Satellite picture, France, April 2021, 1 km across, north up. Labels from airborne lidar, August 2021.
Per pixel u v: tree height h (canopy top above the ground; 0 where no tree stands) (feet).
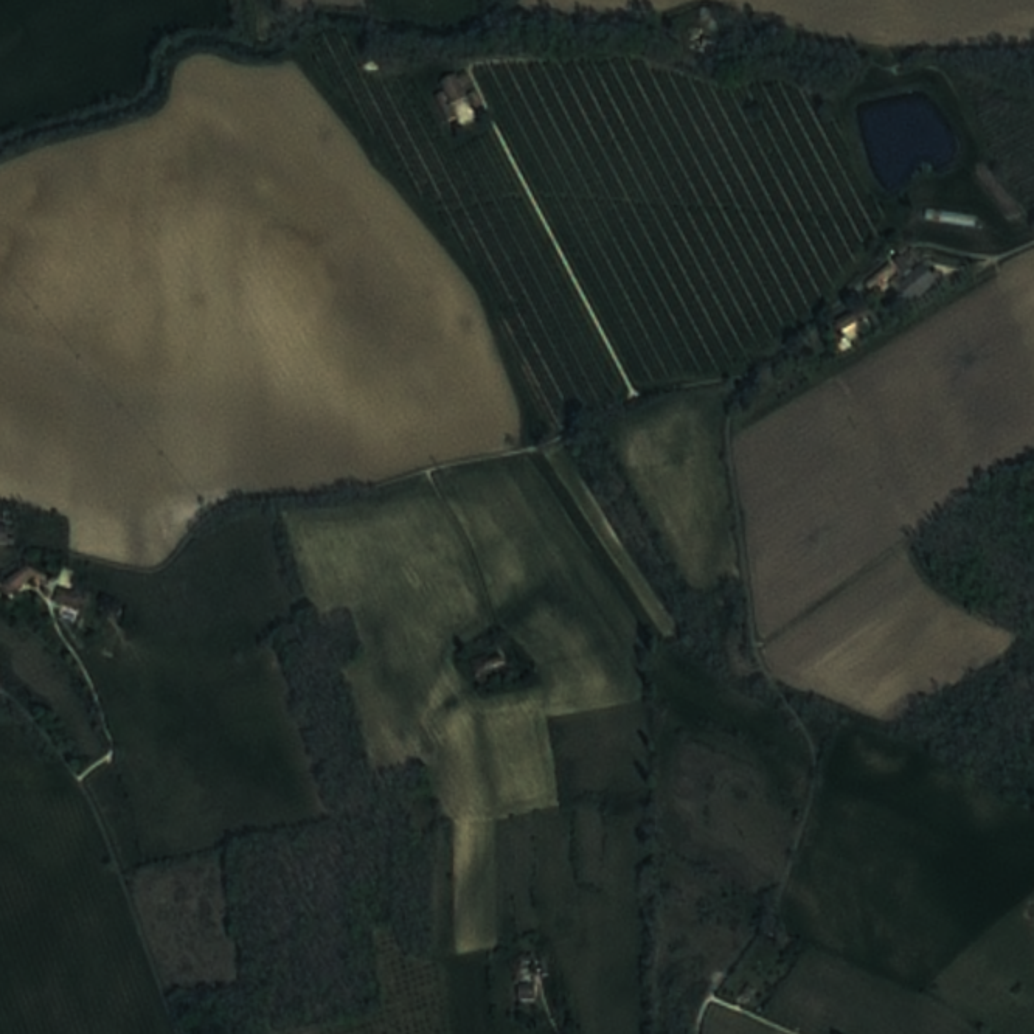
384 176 0
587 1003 0
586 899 0
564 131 20
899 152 0
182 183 0
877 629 0
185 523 0
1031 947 0
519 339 23
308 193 0
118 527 0
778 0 0
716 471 0
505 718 0
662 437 0
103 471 0
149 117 0
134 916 0
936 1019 0
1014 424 0
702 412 0
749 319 22
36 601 46
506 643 40
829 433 0
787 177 21
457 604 0
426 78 0
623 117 21
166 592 0
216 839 0
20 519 29
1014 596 68
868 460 0
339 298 0
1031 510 72
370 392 0
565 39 85
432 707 0
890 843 0
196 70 0
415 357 0
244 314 0
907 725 37
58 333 0
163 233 0
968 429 0
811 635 0
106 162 0
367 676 0
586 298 0
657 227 19
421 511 0
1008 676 28
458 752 0
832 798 0
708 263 19
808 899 0
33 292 0
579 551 0
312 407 0
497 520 0
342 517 0
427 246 0
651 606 0
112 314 0
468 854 0
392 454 0
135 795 0
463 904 0
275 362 0
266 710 0
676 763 0
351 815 51
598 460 23
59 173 0
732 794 0
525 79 21
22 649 0
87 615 0
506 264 19
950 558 50
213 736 0
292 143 0
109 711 22
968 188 0
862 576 0
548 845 0
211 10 0
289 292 0
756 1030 0
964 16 0
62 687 0
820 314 45
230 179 0
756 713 0
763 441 0
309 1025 42
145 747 0
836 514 0
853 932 0
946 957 0
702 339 21
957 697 32
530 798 0
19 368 0
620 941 0
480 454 0
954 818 0
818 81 74
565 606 0
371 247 0
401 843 63
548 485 0
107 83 0
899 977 0
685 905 33
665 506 0
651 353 20
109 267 0
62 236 0
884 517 0
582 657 0
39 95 0
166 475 0
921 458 0
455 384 0
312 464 0
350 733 47
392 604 0
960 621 0
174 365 0
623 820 0
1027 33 0
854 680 0
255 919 56
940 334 0
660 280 23
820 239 25
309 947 52
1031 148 18
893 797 0
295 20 53
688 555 0
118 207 0
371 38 48
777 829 0
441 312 0
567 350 17
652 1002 25
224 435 0
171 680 0
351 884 63
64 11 0
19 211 0
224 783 0
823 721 41
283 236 0
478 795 0
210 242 0
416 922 57
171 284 0
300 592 50
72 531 0
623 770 0
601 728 0
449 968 0
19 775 0
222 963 0
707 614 54
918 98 0
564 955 0
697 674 0
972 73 45
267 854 53
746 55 74
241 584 0
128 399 0
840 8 0
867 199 21
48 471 0
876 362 0
